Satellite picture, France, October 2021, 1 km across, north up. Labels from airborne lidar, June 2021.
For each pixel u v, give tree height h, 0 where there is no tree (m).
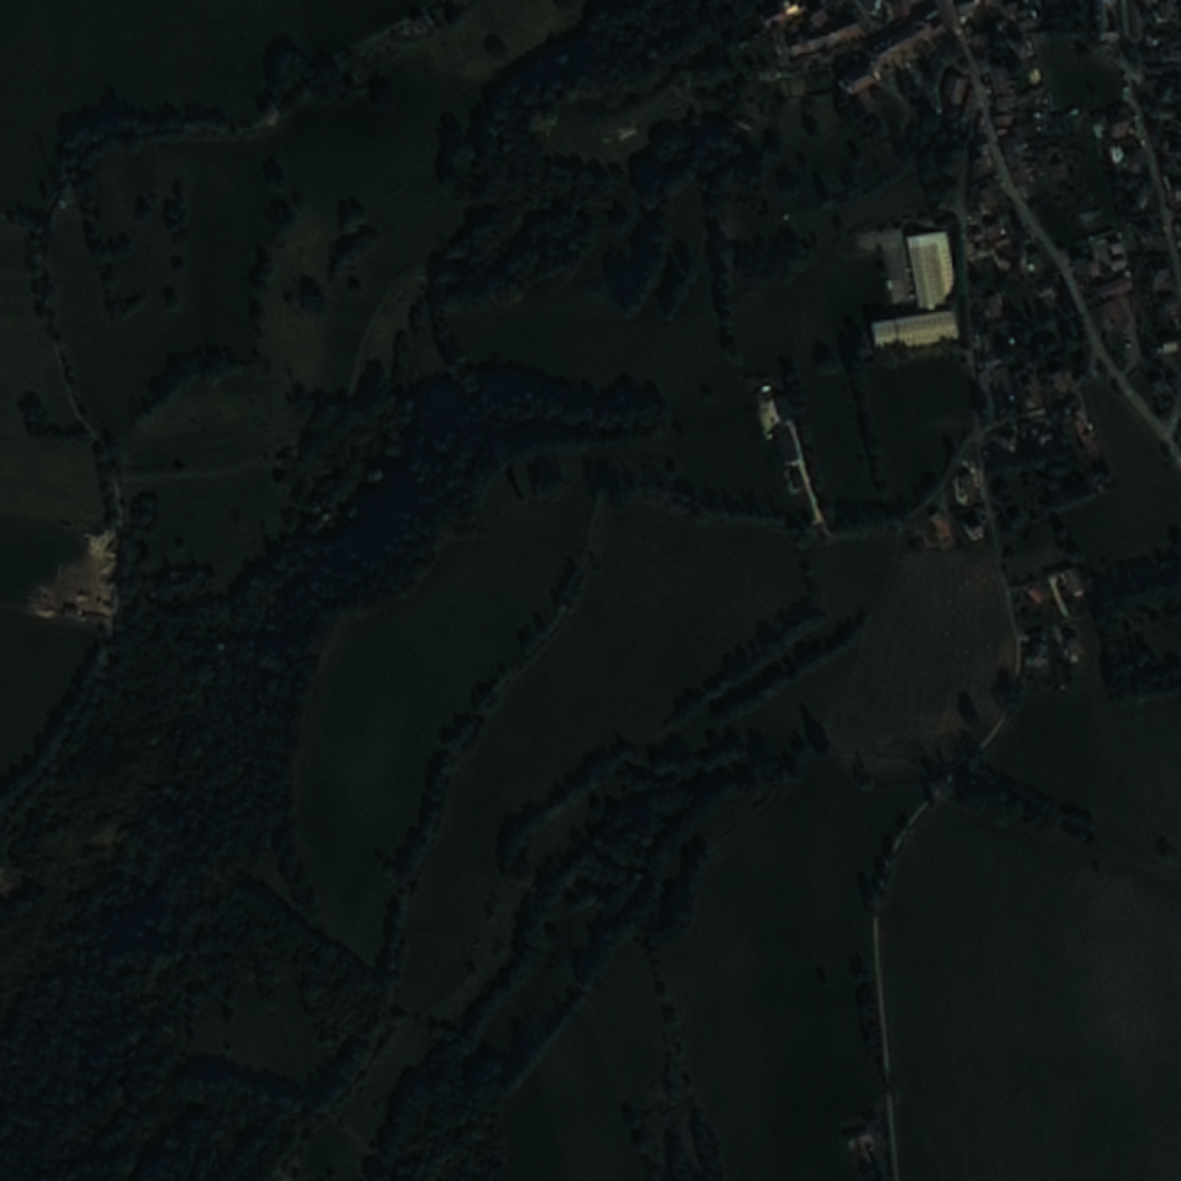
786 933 0
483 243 22
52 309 12
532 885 10
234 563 0
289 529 10
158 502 11
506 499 0
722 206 10
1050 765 0
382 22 0
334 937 0
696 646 0
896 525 9
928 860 0
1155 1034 0
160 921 29
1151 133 15
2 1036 25
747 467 0
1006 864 0
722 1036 0
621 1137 0
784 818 0
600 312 0
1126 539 0
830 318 0
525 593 0
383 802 0
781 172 0
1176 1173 0
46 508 0
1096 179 0
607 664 0
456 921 0
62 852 28
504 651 0
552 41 0
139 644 16
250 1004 0
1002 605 0
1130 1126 0
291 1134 11
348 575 35
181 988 16
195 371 12
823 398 0
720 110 9
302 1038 0
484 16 0
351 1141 0
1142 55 7
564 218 27
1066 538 9
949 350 12
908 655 0
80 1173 17
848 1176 0
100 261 14
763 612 0
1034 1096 0
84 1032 25
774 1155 0
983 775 13
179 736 26
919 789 0
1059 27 9
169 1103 16
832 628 0
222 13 0
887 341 0
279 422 0
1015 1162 0
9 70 0
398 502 8
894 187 0
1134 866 0
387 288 0
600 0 0
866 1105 0
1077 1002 0
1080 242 6
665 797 22
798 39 0
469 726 8
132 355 0
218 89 0
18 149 0
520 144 21
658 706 0
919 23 0
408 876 12
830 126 0
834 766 0
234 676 21
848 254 0
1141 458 0
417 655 0
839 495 0
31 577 0
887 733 0
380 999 11
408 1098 18
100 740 18
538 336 0
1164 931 0
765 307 0
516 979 10
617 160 0
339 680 0
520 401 20
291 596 30
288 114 5
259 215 0
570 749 0
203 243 0
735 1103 0
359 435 27
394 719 0
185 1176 15
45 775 8
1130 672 14
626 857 17
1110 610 19
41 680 0
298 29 0
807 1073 0
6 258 0
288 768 11
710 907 0
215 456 0
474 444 20
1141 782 0
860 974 9
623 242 0
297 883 17
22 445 0
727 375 0
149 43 0
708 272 0
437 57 0
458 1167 8
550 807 6
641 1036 0
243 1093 15
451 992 0
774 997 0
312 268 0
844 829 0
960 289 7
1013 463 15
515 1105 0
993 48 9
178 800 30
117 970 28
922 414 0
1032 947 0
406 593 18
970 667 0
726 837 0
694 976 0
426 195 0
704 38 17
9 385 0
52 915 23
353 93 17
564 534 0
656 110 0
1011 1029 0
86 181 12
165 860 29
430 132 0
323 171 0
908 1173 0
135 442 0
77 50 0
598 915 10
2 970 18
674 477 10
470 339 0
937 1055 0
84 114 0
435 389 0
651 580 0
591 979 16
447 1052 17
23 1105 22
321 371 0
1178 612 14
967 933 0
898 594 0
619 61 29
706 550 0
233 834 17
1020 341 16
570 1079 0
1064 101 0
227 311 0
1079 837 10
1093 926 0
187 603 16
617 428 9
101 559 0
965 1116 0
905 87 13
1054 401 0
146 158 0
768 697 6
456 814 0
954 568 0
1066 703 0
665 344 0
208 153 0
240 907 17
